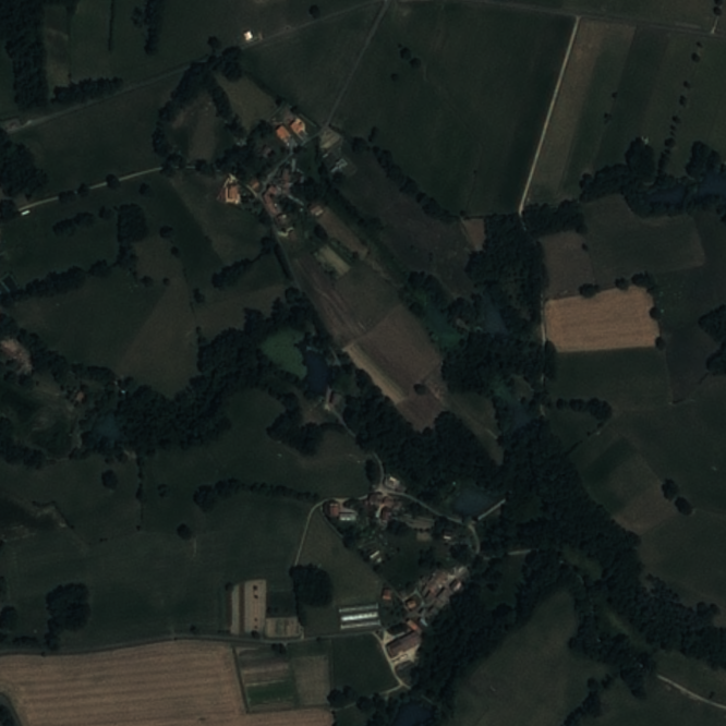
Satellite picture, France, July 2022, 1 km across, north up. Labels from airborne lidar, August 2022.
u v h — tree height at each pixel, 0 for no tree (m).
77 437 0
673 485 18
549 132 0
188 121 0
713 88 0
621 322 0
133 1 0
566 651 0
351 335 0
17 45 17
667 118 0
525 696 0
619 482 0
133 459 0
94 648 0
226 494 21
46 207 0
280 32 0
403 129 0
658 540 0
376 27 0
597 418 17
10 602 0
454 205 0
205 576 0
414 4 0
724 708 0
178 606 0
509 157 0
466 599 29
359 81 0
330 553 0
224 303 0
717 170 9
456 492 14
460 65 0
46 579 0
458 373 9
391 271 0
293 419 22
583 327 0
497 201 0
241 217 0
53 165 0
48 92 11
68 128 0
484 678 0
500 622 20
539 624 0
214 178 15
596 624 10
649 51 0
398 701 7
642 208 14
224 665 0
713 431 0
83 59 0
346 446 0
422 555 10
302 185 14
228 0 0
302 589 17
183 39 0
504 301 16
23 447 15
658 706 0
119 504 0
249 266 19
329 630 0
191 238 0
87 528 0
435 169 0
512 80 0
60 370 21
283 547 0
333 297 0
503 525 14
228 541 0
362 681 0
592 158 0
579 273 0
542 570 18
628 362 0
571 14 0
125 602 0
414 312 8
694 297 0
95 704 0
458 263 0
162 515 0
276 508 0
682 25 0
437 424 8
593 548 29
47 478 0
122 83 14
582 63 0
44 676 0
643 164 17
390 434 25
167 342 0
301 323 15
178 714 0
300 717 0
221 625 0
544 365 16
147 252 0
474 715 0
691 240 0
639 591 18
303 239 0
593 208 0
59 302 0
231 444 0
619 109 0
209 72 21
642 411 0
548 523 19
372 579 0
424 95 0
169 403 18
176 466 0
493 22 0
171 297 0
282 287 0
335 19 0
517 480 18
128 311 0
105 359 0
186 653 0
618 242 0
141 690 0
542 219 8
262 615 0
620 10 0
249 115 0
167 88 0
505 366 22
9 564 0
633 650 13
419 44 0
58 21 0
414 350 0
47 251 0
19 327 15
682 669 0
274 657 0
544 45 0
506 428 10
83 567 0
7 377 12
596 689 7
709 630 12
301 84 0
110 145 0
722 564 0
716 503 0
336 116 0
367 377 16
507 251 10
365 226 15
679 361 0
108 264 13
